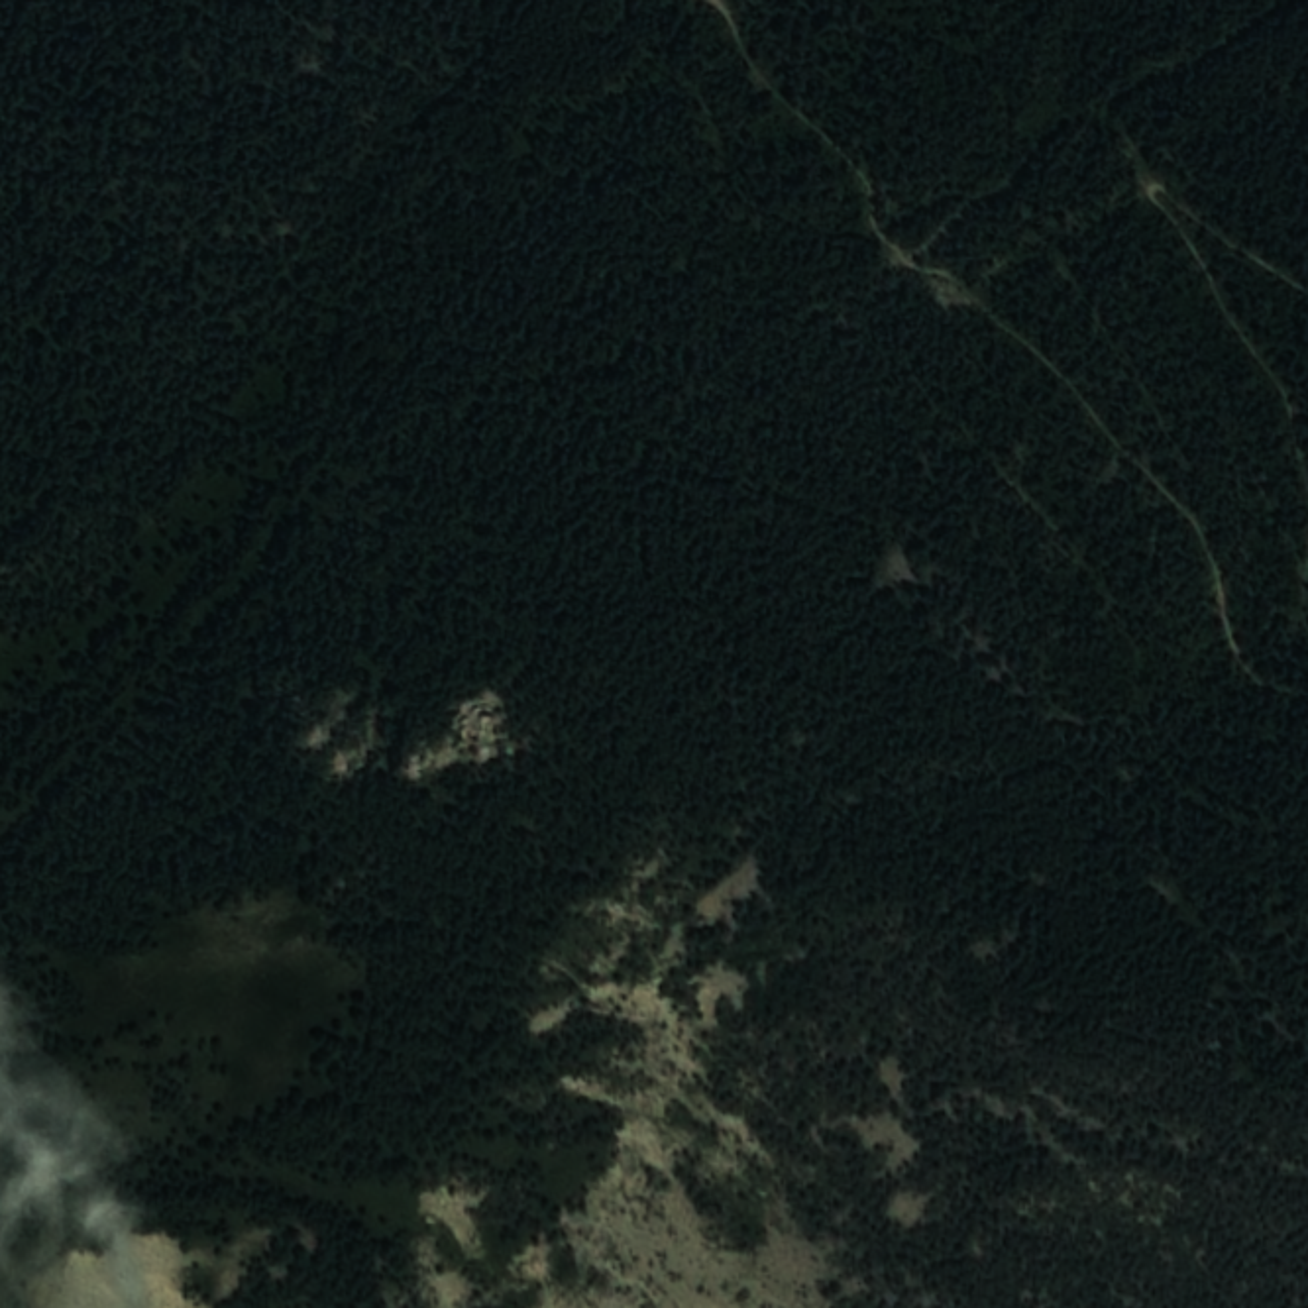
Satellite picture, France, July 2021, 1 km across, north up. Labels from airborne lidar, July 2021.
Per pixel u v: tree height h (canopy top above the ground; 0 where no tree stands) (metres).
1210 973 18
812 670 24
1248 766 23
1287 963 18
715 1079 9
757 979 12
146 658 13
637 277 30
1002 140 19
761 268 14
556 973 8
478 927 24
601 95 22
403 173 20
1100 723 6
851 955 16
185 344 16
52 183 26
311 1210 17
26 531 26
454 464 23
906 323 22
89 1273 0
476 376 22
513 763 11
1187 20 23
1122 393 6
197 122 21
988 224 21
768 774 20
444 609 21
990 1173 15
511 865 23
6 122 20
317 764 8
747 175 26
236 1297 11
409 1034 22
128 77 23
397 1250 10
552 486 23
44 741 22
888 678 20
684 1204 0
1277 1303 11
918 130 21
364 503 16
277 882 13
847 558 22
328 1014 0
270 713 9
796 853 10
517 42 22
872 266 23
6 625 13
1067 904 21
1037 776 19
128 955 9
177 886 20
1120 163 8
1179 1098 12
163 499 27
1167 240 7
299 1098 18
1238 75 16
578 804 22
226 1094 0
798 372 25
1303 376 21
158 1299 0
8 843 11
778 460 20
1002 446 9
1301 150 20
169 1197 21
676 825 12
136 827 19
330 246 10
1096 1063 6
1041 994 20
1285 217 8
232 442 19
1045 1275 8
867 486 22
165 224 19
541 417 8
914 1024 7
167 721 23
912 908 8
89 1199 0
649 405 23
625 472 14
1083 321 10
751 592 23
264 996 0
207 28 17
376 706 24
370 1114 22
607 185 25
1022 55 14
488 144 21
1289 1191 8
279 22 24
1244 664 13
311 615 24
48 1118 13
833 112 10
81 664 19
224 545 20
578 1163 0
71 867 20
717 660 19
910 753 19
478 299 28
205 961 0
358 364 19
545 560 19
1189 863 19
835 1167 6
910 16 10
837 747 20
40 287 17
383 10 22
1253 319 7
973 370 15
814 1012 10
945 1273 12
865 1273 11
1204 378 21
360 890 19
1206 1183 9
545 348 20
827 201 20
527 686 20
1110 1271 6
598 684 22
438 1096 23
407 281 23
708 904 0
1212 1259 9
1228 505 17
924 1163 11
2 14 23
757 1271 0
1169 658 14
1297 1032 22
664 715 20
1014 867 11
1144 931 18
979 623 23
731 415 25
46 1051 14
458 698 10
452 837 25
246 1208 10
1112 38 15
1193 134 12
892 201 18
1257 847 14
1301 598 6
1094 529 18
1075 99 19
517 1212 12
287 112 20
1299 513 21
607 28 18
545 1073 14
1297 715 10
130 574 20
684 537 20
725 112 18
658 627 16
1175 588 21
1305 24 24
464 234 20
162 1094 16
